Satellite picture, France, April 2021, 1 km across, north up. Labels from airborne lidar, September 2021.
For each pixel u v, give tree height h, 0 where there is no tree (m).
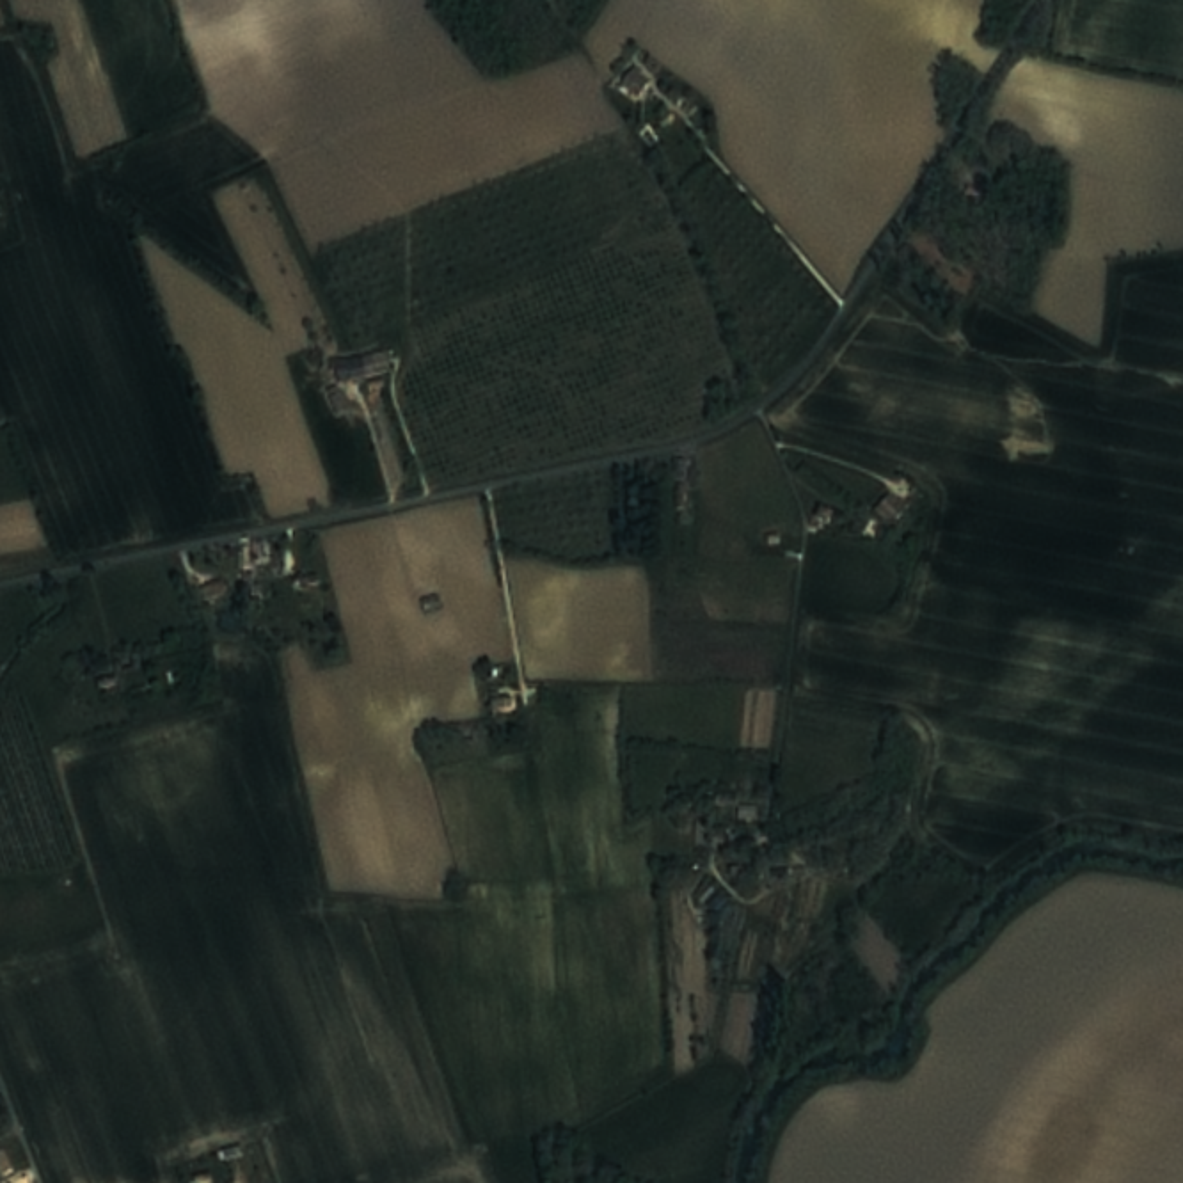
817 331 0
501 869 0
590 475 9
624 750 9
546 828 0
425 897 0
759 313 8
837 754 0
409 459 8
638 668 0
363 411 0
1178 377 0
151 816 0
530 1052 0
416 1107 0
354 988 0
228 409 0
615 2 0
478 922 0
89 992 0
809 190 0
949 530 0
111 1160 0
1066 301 0
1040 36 17
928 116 0
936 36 0
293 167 0
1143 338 0
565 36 14
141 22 0
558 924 0
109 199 6
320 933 0
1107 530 0
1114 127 0
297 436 0
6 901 0
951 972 11
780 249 7
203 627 7
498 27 16
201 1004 0
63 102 0
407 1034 0
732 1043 0
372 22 0
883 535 12
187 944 0
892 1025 9
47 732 0
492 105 0
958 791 0
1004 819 0
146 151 0
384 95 0
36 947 0
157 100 0
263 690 0
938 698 0
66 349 0
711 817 10
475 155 0
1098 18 0
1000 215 22
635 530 13
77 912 0
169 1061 0
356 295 8
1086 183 0
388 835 0
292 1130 0
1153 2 0
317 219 0
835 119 0
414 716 0
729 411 12
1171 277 0
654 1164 0
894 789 6
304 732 0
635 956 0
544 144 0
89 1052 0
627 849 0
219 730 0
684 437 0
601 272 6
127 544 0
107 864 0
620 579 0
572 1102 0
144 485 0
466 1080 0
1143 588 0
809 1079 14
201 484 0
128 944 0
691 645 0
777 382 0
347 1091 0
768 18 0
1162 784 0
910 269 12
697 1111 0
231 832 0
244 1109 0
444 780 0
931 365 0
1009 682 0
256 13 0
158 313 10
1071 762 0
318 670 0
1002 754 0
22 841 8
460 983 0
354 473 0
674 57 0
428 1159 0
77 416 0
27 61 0
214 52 0
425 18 0
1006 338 0
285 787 0
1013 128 13
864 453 0
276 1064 0
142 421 0
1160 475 0
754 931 0
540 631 0
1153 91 0
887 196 0
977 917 12
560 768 0
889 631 0
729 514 0
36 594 10
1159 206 0
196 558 8
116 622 0
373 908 0
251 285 0
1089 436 0
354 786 0
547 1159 18
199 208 0
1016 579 0
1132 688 0
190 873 0
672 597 0
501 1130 0
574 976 0
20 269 0
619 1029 0
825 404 0
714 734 0
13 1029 0
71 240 0
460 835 0
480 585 0
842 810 14
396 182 0
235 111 0
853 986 10
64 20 0
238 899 0
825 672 0
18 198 0
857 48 0
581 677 0
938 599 0
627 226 0
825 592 0
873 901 13
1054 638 0
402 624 0
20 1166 0
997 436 0
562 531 7
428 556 0
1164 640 0
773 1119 15
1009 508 0
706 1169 0
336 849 0
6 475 0
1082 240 0
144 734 0
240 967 0
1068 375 0
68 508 0
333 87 0
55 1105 0
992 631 0
